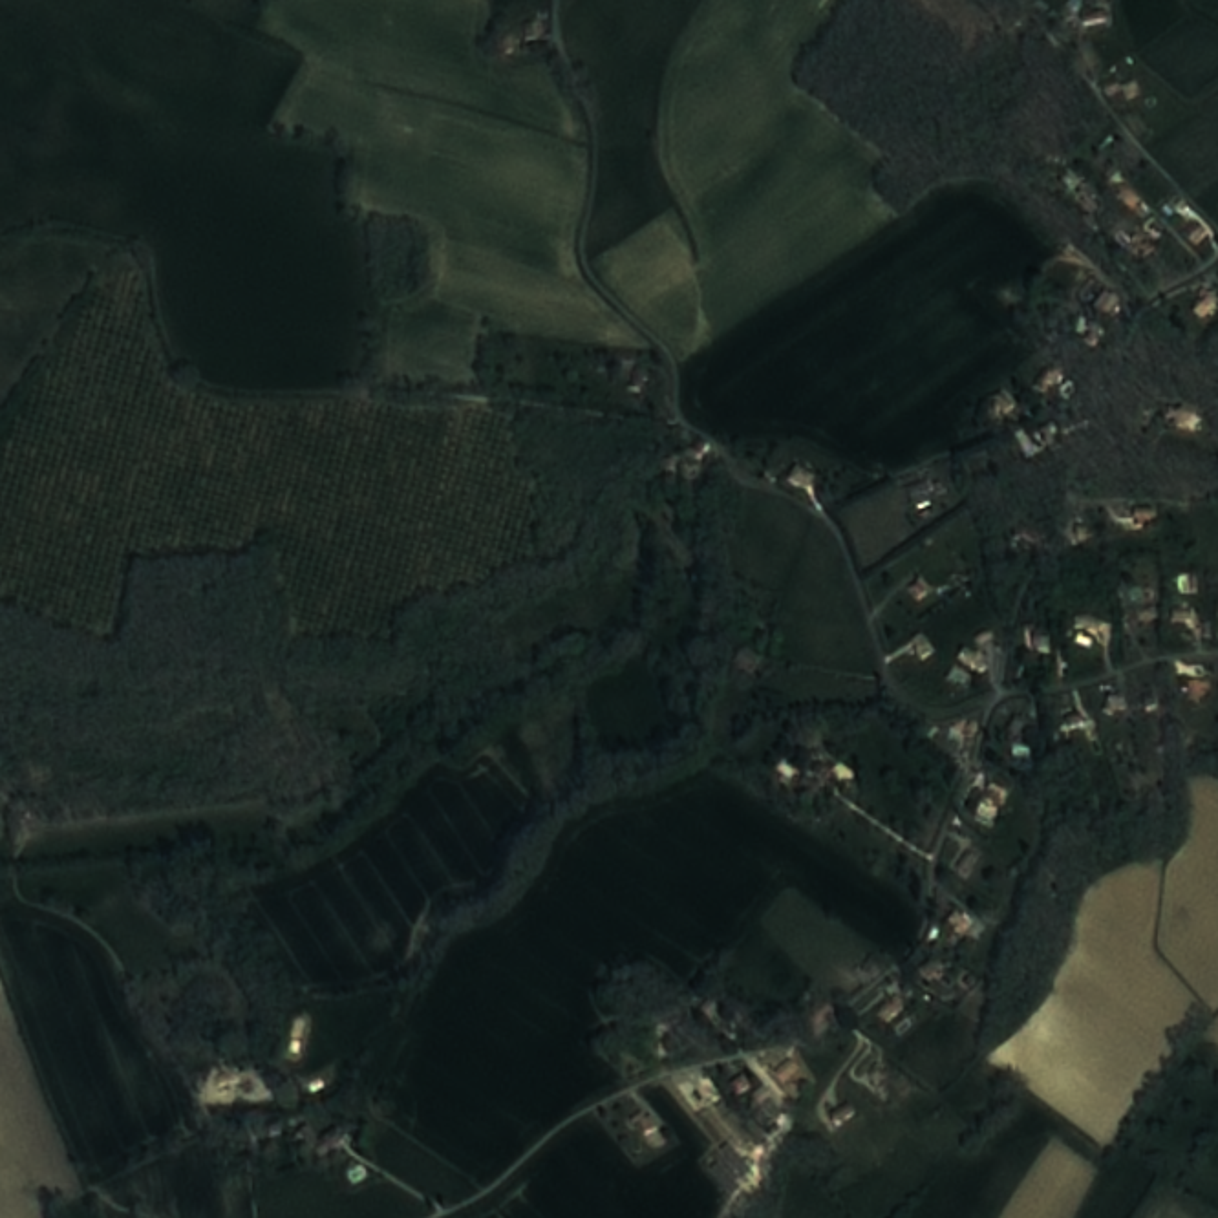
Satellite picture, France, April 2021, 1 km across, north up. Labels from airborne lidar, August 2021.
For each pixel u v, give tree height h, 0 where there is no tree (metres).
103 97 0
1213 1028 18
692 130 0
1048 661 8
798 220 0
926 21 17
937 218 0
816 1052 24
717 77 0
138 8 0
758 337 0
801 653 0
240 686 20
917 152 18
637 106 0
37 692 24
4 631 22
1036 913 23
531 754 0
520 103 0
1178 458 21
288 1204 0
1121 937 0
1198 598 0
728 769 17
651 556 10
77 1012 0
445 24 0
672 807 0
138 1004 15
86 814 13
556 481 10
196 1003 8
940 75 15
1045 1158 0
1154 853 25
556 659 17
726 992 10
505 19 14
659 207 0
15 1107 0
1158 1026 0
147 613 20
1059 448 15
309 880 0
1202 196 0
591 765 18
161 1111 0
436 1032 0
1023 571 20
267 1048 17
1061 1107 0
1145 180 7
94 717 25
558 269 0
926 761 13
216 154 0
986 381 0
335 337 0
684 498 23
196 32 0
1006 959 21
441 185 0
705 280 0
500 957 0
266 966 16
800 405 0
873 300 0
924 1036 0
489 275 0
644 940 0
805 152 0
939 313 0
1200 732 0
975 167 14
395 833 0
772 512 0
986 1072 0
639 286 0
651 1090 0
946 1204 0
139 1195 0
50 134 0
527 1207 0
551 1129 0
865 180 0
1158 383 20
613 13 0
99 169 0
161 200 0
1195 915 0
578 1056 0
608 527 22
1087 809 11
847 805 13
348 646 16
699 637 12
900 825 10
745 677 10
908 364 0
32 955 0
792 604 0
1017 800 0
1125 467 19
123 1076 0
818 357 0
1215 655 0
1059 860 22
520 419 13
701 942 0
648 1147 0
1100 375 18
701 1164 0
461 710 26
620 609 0
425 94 0
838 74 19
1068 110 17
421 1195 0
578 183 0
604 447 8
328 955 0
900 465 0
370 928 0
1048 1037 0
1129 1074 0
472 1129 0
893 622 0
